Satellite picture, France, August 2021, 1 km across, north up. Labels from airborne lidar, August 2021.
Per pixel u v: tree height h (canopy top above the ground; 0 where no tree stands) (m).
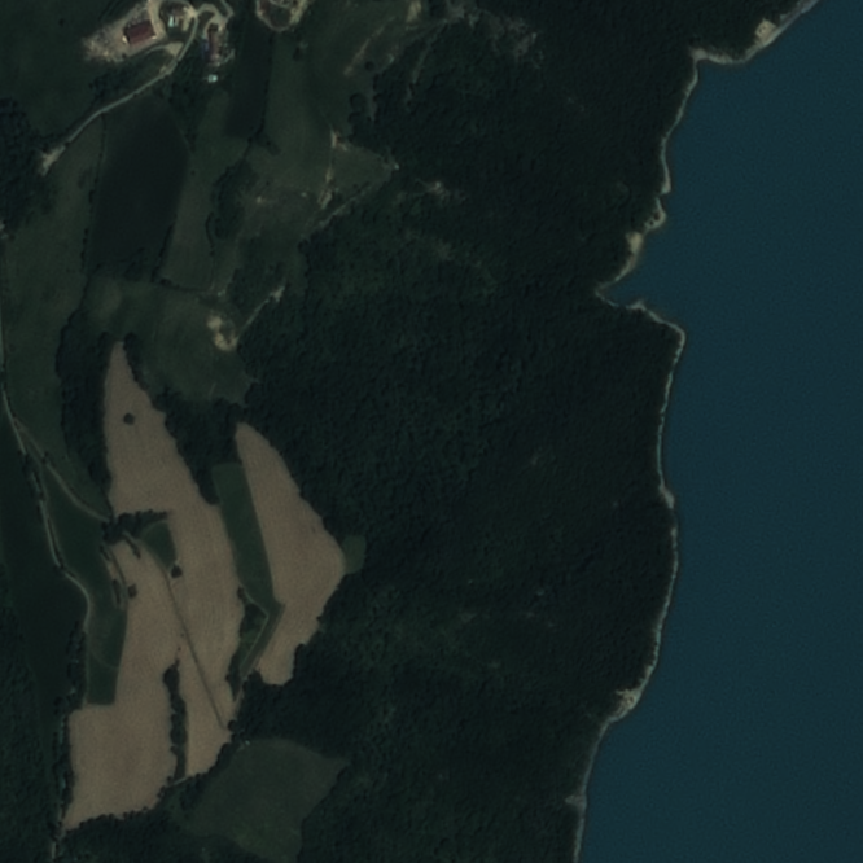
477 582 13
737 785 0
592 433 12
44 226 0
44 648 0
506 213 8
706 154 0
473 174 19
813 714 0
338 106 0
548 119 13
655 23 14
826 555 0
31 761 8
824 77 0
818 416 0
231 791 0
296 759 0
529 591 12
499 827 11
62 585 0
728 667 0
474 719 21
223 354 0
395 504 18
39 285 0
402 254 12
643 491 16
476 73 10
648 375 16
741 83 0
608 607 15
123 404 0
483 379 13
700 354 0
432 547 16
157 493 0
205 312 0
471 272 17
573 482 7
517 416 20
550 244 13
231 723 9
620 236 15
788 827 0
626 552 12
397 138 20
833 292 0
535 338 21
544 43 7
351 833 18
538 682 13
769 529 0
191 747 0
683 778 0
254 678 10
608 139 9
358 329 15
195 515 0
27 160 9
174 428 16
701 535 0
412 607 13
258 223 0
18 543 0
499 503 10
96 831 15
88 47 0
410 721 18
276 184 0
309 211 0
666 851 0
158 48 0
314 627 0
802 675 0
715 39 12
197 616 0
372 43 0
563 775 10
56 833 32
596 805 0
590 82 10
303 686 18
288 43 0
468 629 11
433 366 18
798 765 0
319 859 8
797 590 0
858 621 0
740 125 0
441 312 16
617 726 0
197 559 0
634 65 12
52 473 0
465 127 10
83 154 0
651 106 16
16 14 0
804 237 0
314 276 14
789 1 9
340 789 9
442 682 18
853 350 0
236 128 0
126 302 0
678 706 0
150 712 0
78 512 0
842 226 0
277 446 10
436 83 12
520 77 10
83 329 14
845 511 0
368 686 15
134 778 0
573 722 14
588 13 13
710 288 0
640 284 0
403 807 12
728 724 0
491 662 12
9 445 0
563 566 18
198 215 0
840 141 0
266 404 21
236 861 14
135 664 0
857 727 0
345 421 21
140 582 0
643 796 0
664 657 0
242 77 0
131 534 7
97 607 0
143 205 0
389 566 16
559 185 16
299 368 13
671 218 0
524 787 12
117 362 0
